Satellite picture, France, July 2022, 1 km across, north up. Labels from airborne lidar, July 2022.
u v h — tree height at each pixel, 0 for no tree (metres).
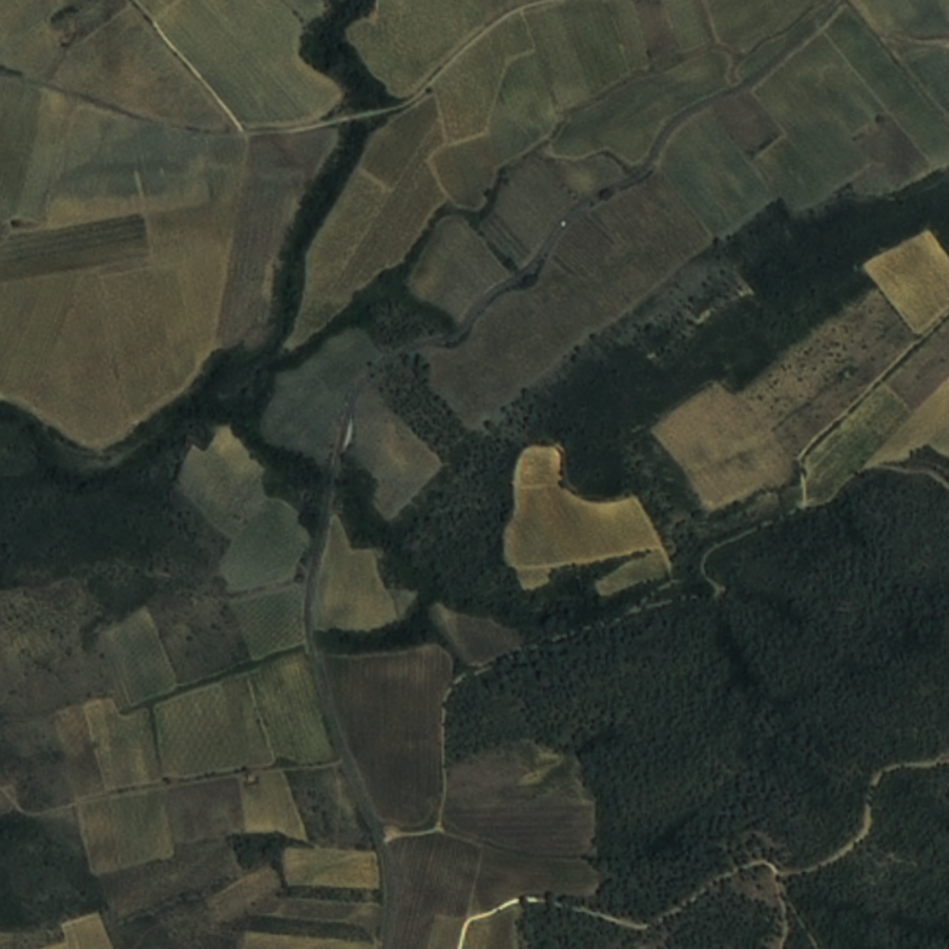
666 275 0
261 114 0
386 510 0
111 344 0
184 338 0
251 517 0
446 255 0
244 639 0
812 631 10
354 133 11
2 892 0
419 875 0
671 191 0
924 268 0
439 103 0
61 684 0
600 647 10
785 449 0
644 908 11
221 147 0
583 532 0
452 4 0
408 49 0
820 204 0
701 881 12
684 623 6
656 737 7
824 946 8
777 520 8
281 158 0
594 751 10
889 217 0
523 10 0
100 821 0
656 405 0
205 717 0
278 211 0
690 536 9
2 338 0
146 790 0
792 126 0
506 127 0
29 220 0
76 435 0
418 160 0
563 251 0
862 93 0
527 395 12
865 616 7
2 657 0
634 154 0
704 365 0
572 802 0
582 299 0
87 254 0
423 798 0
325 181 12
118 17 0
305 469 7
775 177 0
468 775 0
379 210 0
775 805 10
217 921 0
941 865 9
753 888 0
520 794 0
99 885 0
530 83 0
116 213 0
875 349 0
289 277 7
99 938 0
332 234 0
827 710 10
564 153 0
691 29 0
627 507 0
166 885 0
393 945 0
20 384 0
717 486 0
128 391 0
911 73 0
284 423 0
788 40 0
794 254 0
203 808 0
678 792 7
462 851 0
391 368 6
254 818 0
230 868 0
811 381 0
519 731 7
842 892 11
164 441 9
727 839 13
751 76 0
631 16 0
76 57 0
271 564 0
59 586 0
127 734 0
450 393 0
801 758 9
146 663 0
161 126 0
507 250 0
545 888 0
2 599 0
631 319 0
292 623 0
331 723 0
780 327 7
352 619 0
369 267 0
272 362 6
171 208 0
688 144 0
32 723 0
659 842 7
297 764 0
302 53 7
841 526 11
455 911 0
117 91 0
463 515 7
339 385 0
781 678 7
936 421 0
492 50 0
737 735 8
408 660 0
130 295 0
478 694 7
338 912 0
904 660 7
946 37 0
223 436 0
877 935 10
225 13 0
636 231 0
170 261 0
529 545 0
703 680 10
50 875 0
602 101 0
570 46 0
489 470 10
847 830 9
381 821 0
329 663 0
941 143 0
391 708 0
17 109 0
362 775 0
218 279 0
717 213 0
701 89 0
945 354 0
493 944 0
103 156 0
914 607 9
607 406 0
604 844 8
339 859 0
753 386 0
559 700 10
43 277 0
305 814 0
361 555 0
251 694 0
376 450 0
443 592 12
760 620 9
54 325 0
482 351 0
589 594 13
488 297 0
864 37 0
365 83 13
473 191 0
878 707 6
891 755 9
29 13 0
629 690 10
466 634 0
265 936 0
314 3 0
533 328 0
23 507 9
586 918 10
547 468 0
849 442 0
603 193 9
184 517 8
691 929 11
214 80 0
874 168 0
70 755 0
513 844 0
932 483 7
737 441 0
